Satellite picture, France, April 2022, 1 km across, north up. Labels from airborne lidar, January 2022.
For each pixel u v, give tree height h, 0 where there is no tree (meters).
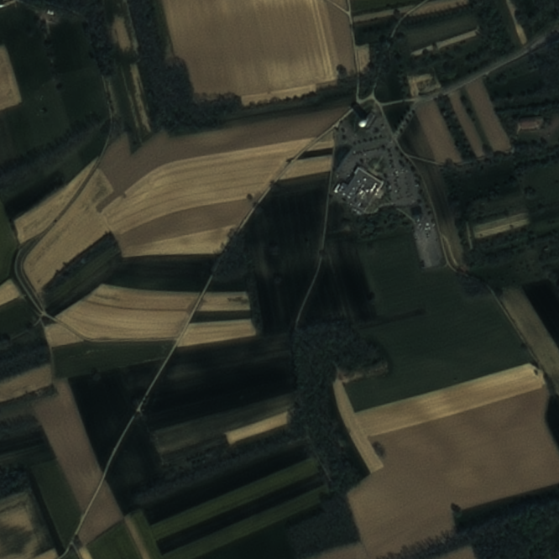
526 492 0
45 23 10
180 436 0
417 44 0
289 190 0
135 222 0
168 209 0
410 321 0
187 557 0
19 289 0
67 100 0
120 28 0
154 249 0
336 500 24
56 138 0
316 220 0
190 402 0
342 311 0
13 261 0
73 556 0
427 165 0
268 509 0
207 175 0
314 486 0
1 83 0
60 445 0
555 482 0
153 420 0
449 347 0
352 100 0
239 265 20
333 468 22
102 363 0
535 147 14
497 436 0
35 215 0
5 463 0
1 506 0
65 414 0
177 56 0
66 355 0
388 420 0
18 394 0
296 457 0
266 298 0
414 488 0
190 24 0
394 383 0
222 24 0
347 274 0
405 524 0
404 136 0
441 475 0
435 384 0
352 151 0
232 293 0
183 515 0
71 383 0
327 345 21
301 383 21
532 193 10
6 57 0
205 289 0
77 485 0
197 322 0
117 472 0
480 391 0
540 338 0
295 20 0
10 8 0
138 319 0
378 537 0
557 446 0
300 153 0
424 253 0
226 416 0
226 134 0
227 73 0
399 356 0
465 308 0
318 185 0
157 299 0
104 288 0
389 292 0
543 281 0
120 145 0
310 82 0
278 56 0
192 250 0
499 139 0
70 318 0
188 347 0
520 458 0
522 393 0
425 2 0
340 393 0
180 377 0
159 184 0
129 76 0
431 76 0
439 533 0
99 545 0
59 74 11
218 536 0
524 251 9
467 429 0
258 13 0
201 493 0
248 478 0
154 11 23
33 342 0
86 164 0
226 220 0
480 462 0
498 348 0
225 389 0
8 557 0
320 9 0
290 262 0
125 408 0
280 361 0
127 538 0
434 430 0
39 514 0
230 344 0
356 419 0
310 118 0
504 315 0
